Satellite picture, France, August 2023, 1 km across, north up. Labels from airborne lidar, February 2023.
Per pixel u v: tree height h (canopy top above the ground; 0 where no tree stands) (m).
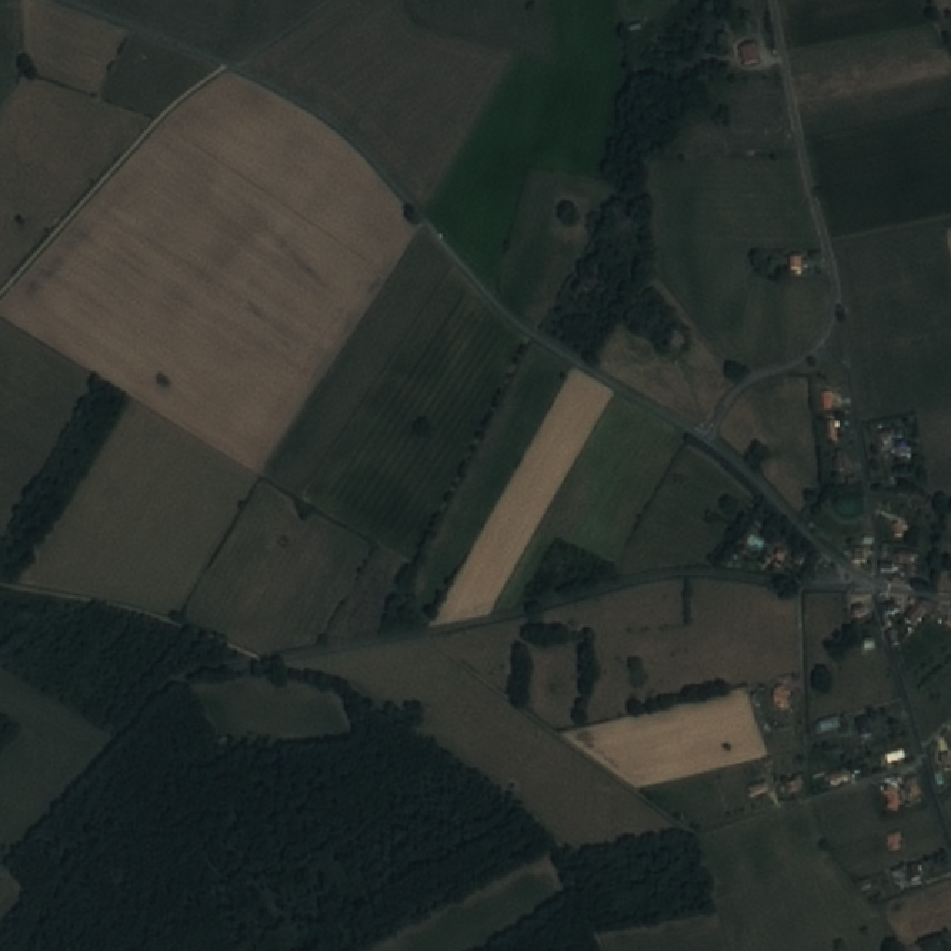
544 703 0
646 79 16
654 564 0
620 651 0
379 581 0
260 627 0
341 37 0
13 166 0
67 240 0
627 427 0
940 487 0
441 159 0
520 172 0
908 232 0
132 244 0
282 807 23
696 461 0
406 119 0
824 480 9
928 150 0
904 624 7
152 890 21
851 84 0
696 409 0
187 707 16
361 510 0
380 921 18
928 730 0
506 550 0
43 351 0
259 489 0
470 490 0
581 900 13
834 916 0
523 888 0
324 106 0
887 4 0
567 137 0
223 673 11
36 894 15
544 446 0
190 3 0
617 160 12
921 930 0
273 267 0
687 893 15
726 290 0
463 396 0
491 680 0
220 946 17
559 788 0
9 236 0
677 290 0
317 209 0
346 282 0
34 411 0
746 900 0
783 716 0
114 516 0
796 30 0
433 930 0
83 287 0
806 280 0
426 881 20
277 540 0
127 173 0
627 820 0
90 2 0
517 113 0
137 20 0
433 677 0
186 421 0
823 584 0
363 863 17
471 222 0
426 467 0
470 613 0
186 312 0
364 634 0
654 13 0
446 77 0
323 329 0
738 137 0
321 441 0
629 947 0
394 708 12
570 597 12
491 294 0
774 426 0
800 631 0
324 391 0
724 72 12
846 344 0
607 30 0
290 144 0
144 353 0
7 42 0
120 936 22
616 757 0
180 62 0
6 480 0
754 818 0
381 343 0
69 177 0
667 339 6
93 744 0
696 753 0
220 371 0
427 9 0
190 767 18
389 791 15
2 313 0
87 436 7
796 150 0
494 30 0
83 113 0
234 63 0
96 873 21
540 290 0
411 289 0
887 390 0
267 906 26
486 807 11
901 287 0
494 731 0
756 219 0
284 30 0
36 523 16
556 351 0
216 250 0
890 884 0
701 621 0
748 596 0
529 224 0
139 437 0
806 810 0
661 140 16
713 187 0
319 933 23
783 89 0
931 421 0
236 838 25
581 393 0
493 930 0
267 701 0
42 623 6
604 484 0
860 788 0
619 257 15
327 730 0
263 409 0
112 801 18
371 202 0
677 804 0
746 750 0
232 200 0
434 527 12
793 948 0
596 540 0
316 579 0
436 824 17
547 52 0
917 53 0
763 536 8
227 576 0
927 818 0
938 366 0
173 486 0
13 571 10
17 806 0
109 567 0
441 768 17
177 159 0
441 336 0
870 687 0
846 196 0
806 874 0
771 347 0
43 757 0
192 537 0
